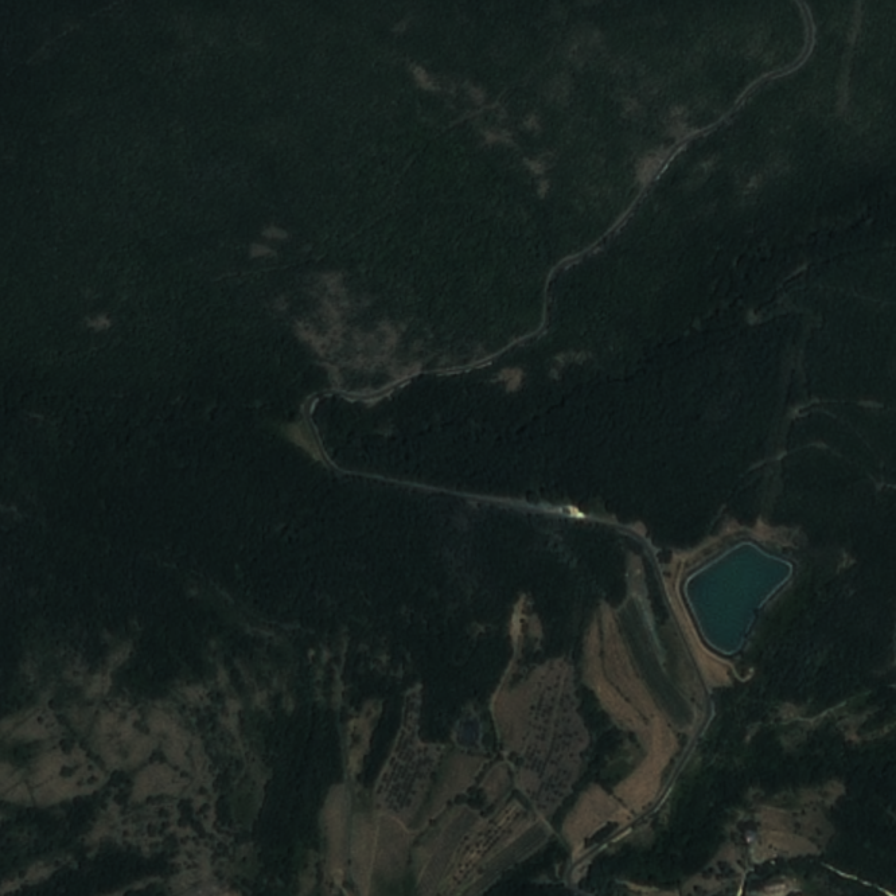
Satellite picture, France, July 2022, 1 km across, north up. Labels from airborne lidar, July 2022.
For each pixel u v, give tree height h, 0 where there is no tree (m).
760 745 8
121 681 0
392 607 9
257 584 17
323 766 7
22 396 18
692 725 0
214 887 0
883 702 8
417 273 8
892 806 10
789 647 7
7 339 13
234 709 0
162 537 10
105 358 10
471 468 12
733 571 0
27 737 0
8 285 9
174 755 0
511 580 8
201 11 6
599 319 12
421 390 18
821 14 7
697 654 0
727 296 9
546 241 10
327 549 13
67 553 13
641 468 10
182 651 9
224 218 6
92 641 7
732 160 6
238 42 6
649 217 9
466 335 7
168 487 11
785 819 0
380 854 0
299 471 14
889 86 7
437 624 10
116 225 7
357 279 7
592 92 9
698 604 0
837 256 8
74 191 7
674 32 5
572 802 8
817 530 6
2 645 8
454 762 0
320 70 6
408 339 8
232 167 12
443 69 6
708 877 9
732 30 5
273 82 7
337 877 0
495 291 12
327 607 7
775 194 7
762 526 0
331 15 6
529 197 13
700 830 14
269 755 7
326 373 6
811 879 12
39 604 9
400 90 6
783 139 7
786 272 10
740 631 0
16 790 0
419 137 8
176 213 8
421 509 10
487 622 7
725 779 12
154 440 16
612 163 7
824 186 13
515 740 0
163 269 11
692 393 7
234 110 5
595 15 8
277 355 14
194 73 5
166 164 6
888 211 17
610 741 10
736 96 11
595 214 7
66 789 0
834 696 7
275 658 6
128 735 0
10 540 11
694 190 6
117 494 15
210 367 19
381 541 13
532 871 9
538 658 6
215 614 7
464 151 9
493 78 8
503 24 6
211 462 17
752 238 9
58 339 10
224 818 11
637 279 9
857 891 6
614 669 0
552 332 8
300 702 7
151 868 8
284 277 8
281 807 8
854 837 10
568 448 12
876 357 6
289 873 6
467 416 10
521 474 13
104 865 9
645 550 12
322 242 8
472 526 8
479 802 6
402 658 8
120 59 6
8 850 8
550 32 7
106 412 15
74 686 0
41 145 7
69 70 7
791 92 6
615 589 11
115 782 9
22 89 6
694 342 14
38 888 7
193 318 15
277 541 16
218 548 9
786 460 6
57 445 5
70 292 6
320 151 8
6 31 6
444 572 6
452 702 11
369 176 9
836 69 6
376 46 6
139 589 9
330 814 0
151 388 8
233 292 9
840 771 9
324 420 20
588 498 7
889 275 9
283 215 8
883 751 6
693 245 11
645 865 14
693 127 6
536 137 6
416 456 19
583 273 12
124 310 8
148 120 6
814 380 6
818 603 7
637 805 0
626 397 19
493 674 11
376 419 8
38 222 6
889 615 6
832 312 8
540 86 6
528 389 13
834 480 6
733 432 7
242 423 12
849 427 6
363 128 7
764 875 8
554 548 11
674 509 11
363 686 7
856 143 8
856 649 8
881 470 6
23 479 9
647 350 24
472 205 8
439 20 7
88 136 7
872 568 7
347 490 14
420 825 0
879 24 6
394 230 10
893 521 6
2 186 6
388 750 10
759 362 8
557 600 6
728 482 6
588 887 14
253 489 13
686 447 7
